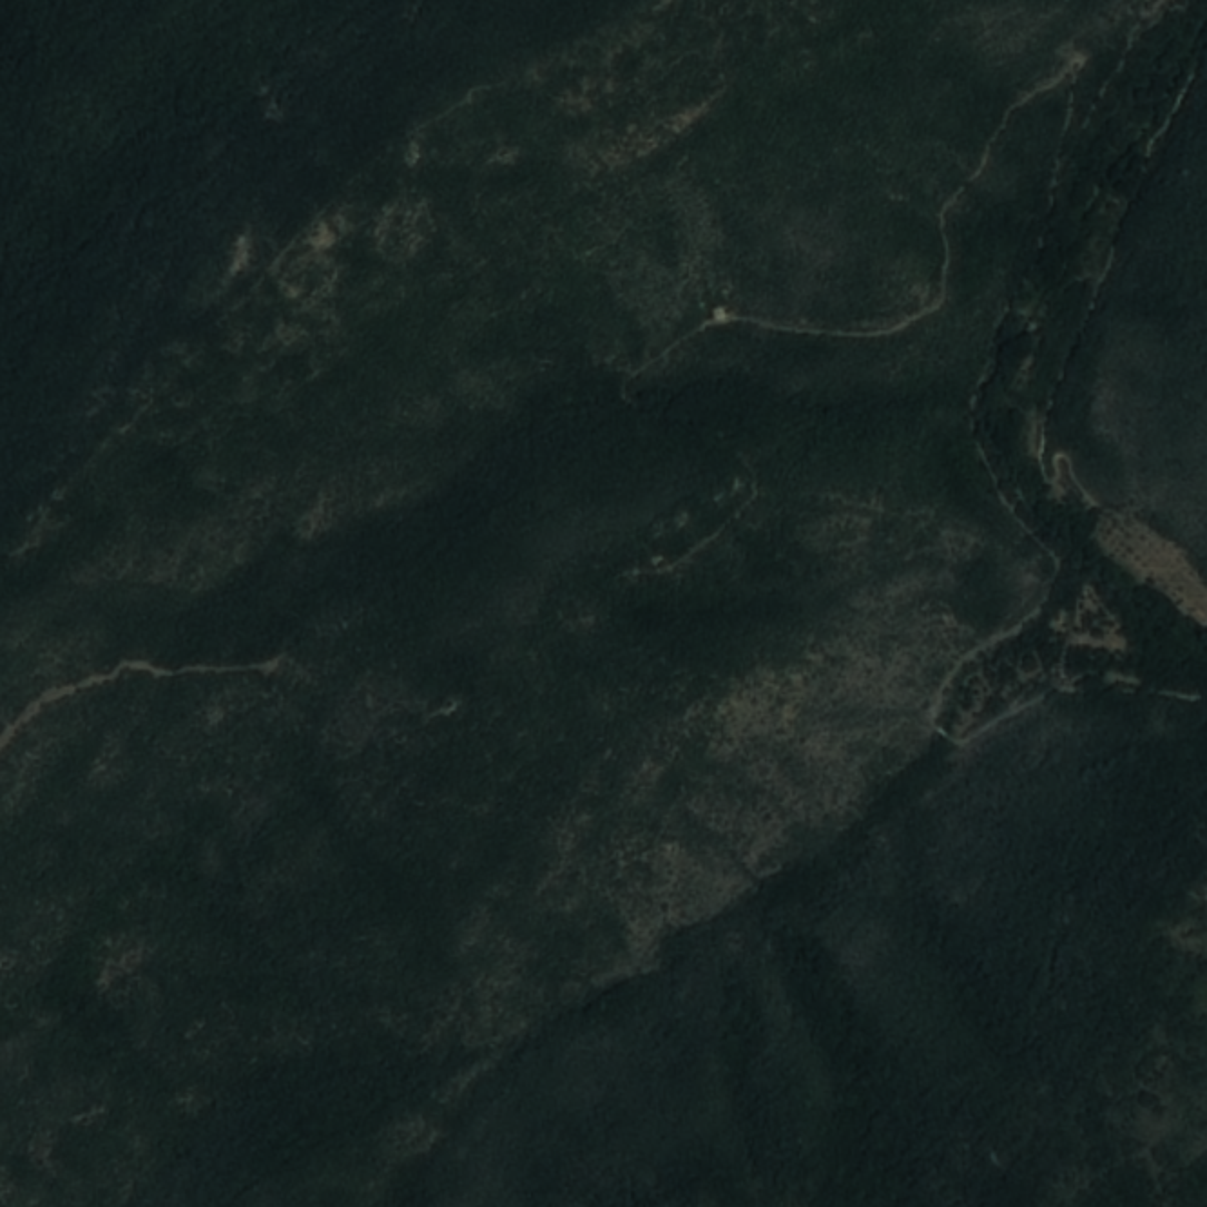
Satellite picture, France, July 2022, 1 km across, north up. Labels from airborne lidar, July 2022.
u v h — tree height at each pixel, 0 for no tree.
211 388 5
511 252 6
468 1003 6
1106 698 8
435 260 6
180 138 6
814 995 14
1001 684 6
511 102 6
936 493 7
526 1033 9
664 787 8
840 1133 11
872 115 7
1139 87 12
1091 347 7
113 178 9
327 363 7
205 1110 7
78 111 6
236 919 11
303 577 6
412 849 8
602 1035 6
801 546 7
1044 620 8
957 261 5
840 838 6
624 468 7
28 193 7
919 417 6
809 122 7
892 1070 7
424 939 6
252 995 6
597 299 7
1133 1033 6
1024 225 8
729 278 6
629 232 7
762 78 8
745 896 6
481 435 6
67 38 7
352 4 6
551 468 7
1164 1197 7
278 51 6
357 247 6
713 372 7
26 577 6
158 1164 6
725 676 6
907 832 7
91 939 7
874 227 6
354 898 9
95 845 6
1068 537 17
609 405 16
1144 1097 10
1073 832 7
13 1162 6
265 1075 8
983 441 12
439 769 6
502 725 6
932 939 11
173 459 6
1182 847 9
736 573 9
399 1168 7
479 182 6
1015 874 5
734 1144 6
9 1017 6
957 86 6
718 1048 6
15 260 8
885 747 8
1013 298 13
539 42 6
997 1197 6
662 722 7
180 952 6
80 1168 7
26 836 6
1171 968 6
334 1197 6
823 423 10
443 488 8
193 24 7
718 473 7
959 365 8
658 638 6
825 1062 6
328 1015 9
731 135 6
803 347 8
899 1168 6
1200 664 7
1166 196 6
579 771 6
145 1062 7
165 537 7
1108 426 0
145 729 6
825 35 7
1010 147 9
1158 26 7
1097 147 11
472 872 7
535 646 6
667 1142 7
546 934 5
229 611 6
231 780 6
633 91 6
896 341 6
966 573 8
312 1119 8
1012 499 9
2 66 10
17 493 6
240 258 0
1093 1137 6
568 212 6
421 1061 9
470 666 7
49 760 7
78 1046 10
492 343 7
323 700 7
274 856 7
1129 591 6
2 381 7
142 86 7
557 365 6
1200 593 0
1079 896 6
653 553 6
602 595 8
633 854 6
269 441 6
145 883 6
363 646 6
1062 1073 6
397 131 6
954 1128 6
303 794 11
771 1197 6
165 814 7
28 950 7
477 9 6
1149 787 8
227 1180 6
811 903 6
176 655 6
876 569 6
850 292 6
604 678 6
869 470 6
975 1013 11
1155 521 7
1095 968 6
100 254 5
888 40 6
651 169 6
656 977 9
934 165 7
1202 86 6
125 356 5
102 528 6
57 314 6
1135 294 7
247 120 6
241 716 8
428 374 5
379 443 6
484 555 6
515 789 6
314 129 6
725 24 6
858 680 0
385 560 7
